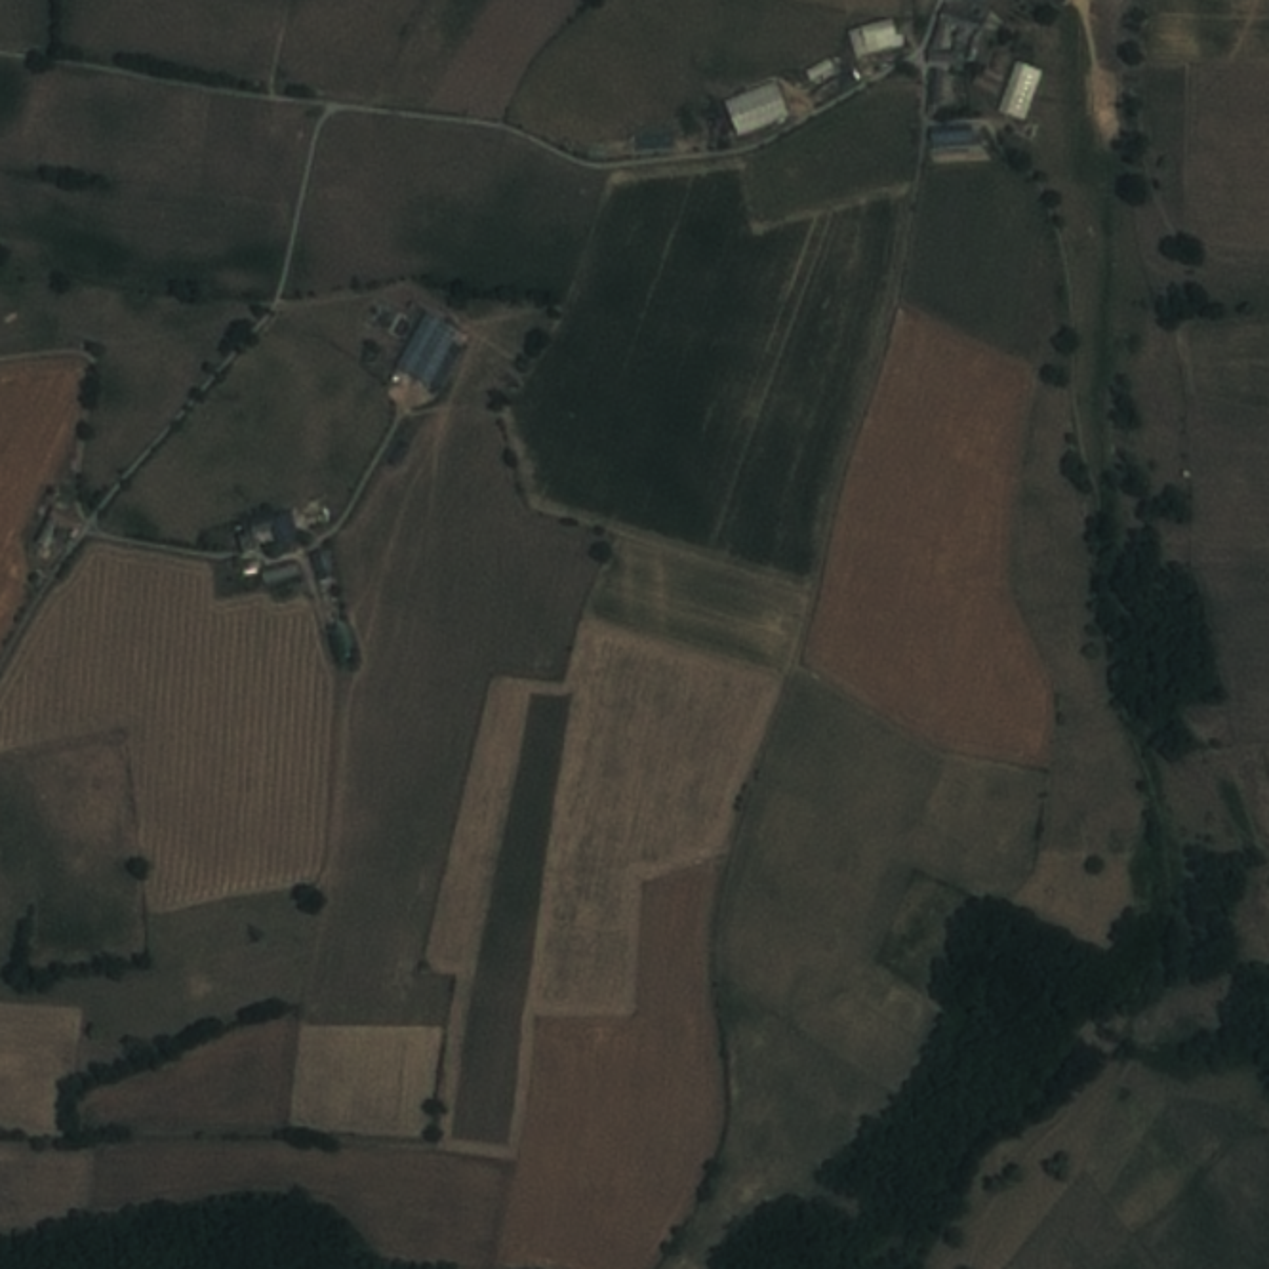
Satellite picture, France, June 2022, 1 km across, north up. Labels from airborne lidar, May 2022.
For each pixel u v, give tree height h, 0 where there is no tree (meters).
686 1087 0
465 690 0
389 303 0
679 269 0
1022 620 0
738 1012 0
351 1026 0
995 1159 0
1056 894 0
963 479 0
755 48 0
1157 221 0
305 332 0
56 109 0
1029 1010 16
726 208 0
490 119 0
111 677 0
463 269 0
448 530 0
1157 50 0
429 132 0
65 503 0
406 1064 0
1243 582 0
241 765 0
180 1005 0
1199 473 0
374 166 0
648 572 0
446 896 0
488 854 0
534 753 0
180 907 0
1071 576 0
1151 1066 0
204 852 0
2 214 0
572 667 0
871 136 0
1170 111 0
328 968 0
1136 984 7
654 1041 0
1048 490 0
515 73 0
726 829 0
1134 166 20
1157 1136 0
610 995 0
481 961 0
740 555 0
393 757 0
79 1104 8
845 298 0
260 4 0
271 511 7
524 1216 0
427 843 0
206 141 0
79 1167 0
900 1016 0
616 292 0
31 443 0
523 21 0
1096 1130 0
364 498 0
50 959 0
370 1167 0
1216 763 0
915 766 0
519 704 0
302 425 0
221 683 0
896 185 0
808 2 0
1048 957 22
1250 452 0
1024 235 0
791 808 0
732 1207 0
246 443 0
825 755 0
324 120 0
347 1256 9
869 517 0
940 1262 0
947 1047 13
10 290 0
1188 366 0
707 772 0
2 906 0
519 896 0
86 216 0
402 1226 0
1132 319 0
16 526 0
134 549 0
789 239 0
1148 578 17
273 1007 11
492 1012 0
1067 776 0
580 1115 0
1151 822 13
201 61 0
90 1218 14
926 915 0
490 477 0
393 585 0
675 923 0
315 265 0
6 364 0
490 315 0
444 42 0
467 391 0
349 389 0
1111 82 0
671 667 0
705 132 0
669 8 0
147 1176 0
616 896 0
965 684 0
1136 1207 0
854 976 0
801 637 0
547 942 0
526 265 0
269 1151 0
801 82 0
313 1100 0
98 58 0
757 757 0
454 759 0
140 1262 16
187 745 0
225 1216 18
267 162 0
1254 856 15
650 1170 0
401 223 0
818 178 0
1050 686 0
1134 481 13
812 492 0
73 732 0
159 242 0
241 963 0
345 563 0
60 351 0
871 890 0
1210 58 0
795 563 0
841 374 0
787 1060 0
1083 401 0
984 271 0
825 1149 0
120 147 0
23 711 0
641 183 0
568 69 0
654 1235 0
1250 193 0
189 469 0
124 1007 0
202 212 0
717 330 0
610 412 0
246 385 0
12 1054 0
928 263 0
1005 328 0
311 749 0
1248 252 0
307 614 0
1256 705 0
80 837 0
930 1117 12
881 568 0
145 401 0
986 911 18
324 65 0
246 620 0
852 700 0
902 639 0
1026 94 0
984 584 0
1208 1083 0
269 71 0
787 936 0
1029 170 11
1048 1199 0
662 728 0
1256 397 0
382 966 0
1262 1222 0
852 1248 18
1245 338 0
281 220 0
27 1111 0
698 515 0
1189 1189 0
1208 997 0
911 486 0
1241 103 0
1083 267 0
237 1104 0
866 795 0
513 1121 0
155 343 0
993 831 0
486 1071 0
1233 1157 0
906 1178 18
